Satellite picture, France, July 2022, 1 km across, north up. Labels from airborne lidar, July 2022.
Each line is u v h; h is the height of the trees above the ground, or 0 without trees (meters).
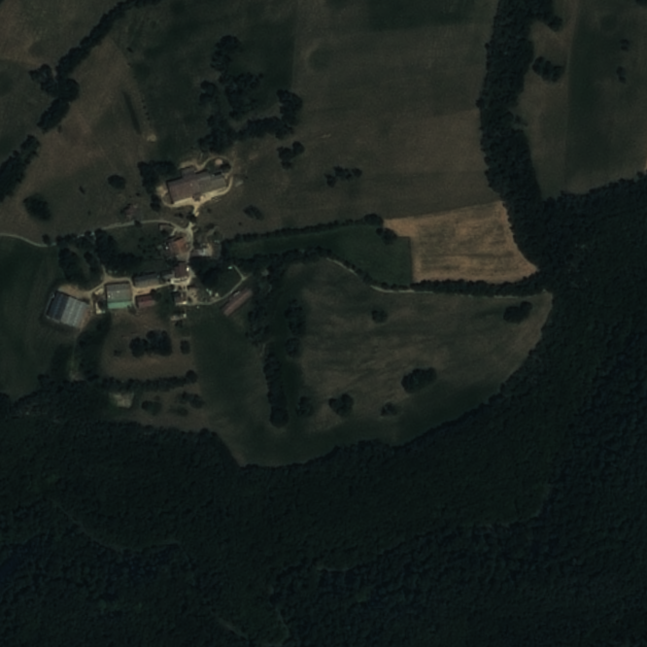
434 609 23
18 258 0
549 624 18
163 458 22
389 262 0
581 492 15
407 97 0
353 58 0
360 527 20
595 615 18
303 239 0
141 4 15
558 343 16
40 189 0
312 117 0
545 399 20
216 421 0
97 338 0
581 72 0
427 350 0
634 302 22
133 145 0
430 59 0
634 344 26
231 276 0
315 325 0
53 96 19
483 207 0
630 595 14
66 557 19
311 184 0
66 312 0
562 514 25
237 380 0
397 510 21
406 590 10
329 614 23
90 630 13
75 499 22
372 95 0
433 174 0
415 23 0
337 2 0
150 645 21
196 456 29
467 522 24
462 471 18
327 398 0
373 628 14
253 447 0
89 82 0
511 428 22
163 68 0
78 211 0
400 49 0
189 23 0
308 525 18
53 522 19
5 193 15
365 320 0
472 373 0
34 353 0
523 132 10
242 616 26
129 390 15
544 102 0
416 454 22
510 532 25
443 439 19
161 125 0
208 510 21
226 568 14
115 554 28
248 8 0
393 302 0
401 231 0
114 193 0
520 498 19
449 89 0
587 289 18
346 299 0
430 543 32
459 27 0
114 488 14
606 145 0
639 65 0
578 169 0
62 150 0
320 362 0
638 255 17
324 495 20
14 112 0
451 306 0
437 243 0
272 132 17
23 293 0
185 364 0
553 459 13
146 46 0
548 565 25
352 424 0
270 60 0
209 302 0
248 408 0
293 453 0
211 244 0
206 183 0
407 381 14
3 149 0
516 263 0
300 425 0
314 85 0
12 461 15
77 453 19
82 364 9
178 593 26
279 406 17
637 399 20
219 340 0
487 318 0
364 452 24
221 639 34
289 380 0
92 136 0
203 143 16
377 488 21
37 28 0
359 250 0
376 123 0
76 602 24
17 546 17
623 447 14
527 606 13
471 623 24
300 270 0
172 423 0
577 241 11
